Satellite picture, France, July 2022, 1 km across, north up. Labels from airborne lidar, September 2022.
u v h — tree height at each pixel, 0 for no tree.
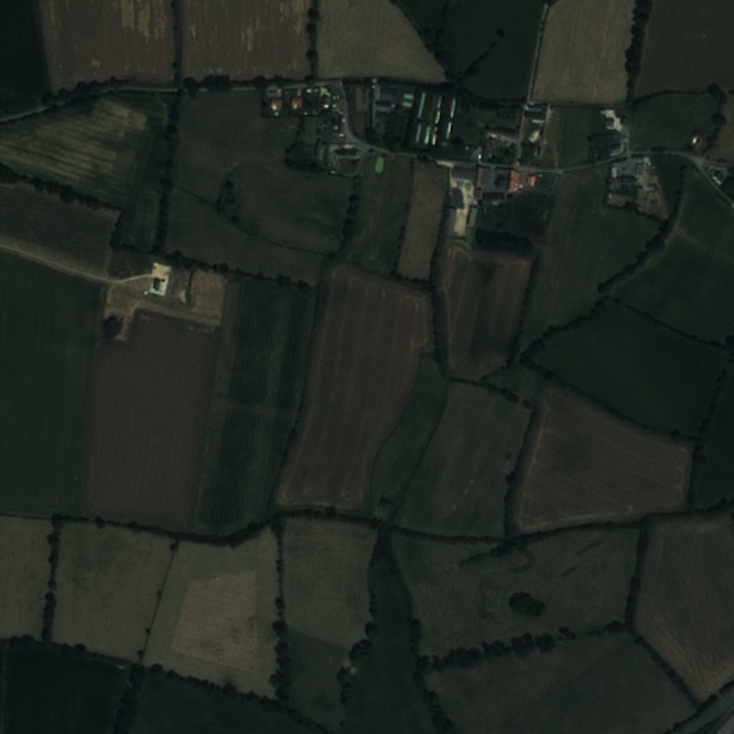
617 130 0
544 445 0
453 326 0
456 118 7
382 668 0
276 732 0
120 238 10
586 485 0
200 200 0
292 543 0
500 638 0
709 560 0
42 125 0
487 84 0
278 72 0
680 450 0
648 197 0
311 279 0
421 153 6
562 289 0
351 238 14
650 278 0
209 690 15
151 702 0
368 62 0
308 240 0
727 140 0
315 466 0
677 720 0
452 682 0
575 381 0
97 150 0
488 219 0
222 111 0
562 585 0
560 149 0
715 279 0
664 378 0
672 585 0
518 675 0
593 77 0
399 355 0
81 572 0
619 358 0
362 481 0
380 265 0
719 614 0
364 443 0
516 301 0
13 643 14
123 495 0
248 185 0
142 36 0
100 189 0
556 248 0
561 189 0
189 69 0
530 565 0
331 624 0
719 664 0
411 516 0
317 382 0
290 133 0
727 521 0
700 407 0
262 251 0
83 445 0
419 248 0
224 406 0
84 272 0
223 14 0
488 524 0
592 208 0
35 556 0
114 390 0
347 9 0
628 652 0
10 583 0
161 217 11
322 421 0
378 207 0
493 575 0
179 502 0
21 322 0
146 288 0
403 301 0
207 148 0
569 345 0
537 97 0
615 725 0
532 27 0
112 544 0
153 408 0
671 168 0
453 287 0
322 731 7
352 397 0
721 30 0
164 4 0
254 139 0
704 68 0
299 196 0
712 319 0
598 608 0
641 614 0
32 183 11
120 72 0
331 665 0
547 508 0
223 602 0
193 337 0
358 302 0
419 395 0
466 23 0
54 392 0
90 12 0
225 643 0
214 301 0
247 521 0
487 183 0
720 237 0
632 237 0
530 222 0
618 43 0
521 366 12
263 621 0
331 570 0
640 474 0
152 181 0
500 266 0
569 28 0
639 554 8
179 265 10
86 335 0
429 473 0
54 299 0
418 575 0
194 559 0
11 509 0
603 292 13
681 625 0
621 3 0
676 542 0
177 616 0
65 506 0
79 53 0
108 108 0
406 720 0
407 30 0
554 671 0
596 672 0
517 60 0
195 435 0
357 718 0
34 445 0
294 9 0
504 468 0
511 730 0
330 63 0
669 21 0
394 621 0
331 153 0
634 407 0
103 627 0
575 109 0
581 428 0
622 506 0
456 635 0
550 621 0
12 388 0
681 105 0
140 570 0
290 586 0
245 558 0
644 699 0
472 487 0
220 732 0
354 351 0
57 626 0
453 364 0
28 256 0
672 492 0
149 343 0
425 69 0
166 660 0
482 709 0
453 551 0
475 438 0
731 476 0
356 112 0
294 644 0
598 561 0
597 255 0
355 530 0
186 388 0
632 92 9
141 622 0
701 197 0
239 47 0
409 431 0
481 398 0
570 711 0
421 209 0
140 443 0
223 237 0
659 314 0
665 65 0
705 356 0
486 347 0
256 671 0
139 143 0
